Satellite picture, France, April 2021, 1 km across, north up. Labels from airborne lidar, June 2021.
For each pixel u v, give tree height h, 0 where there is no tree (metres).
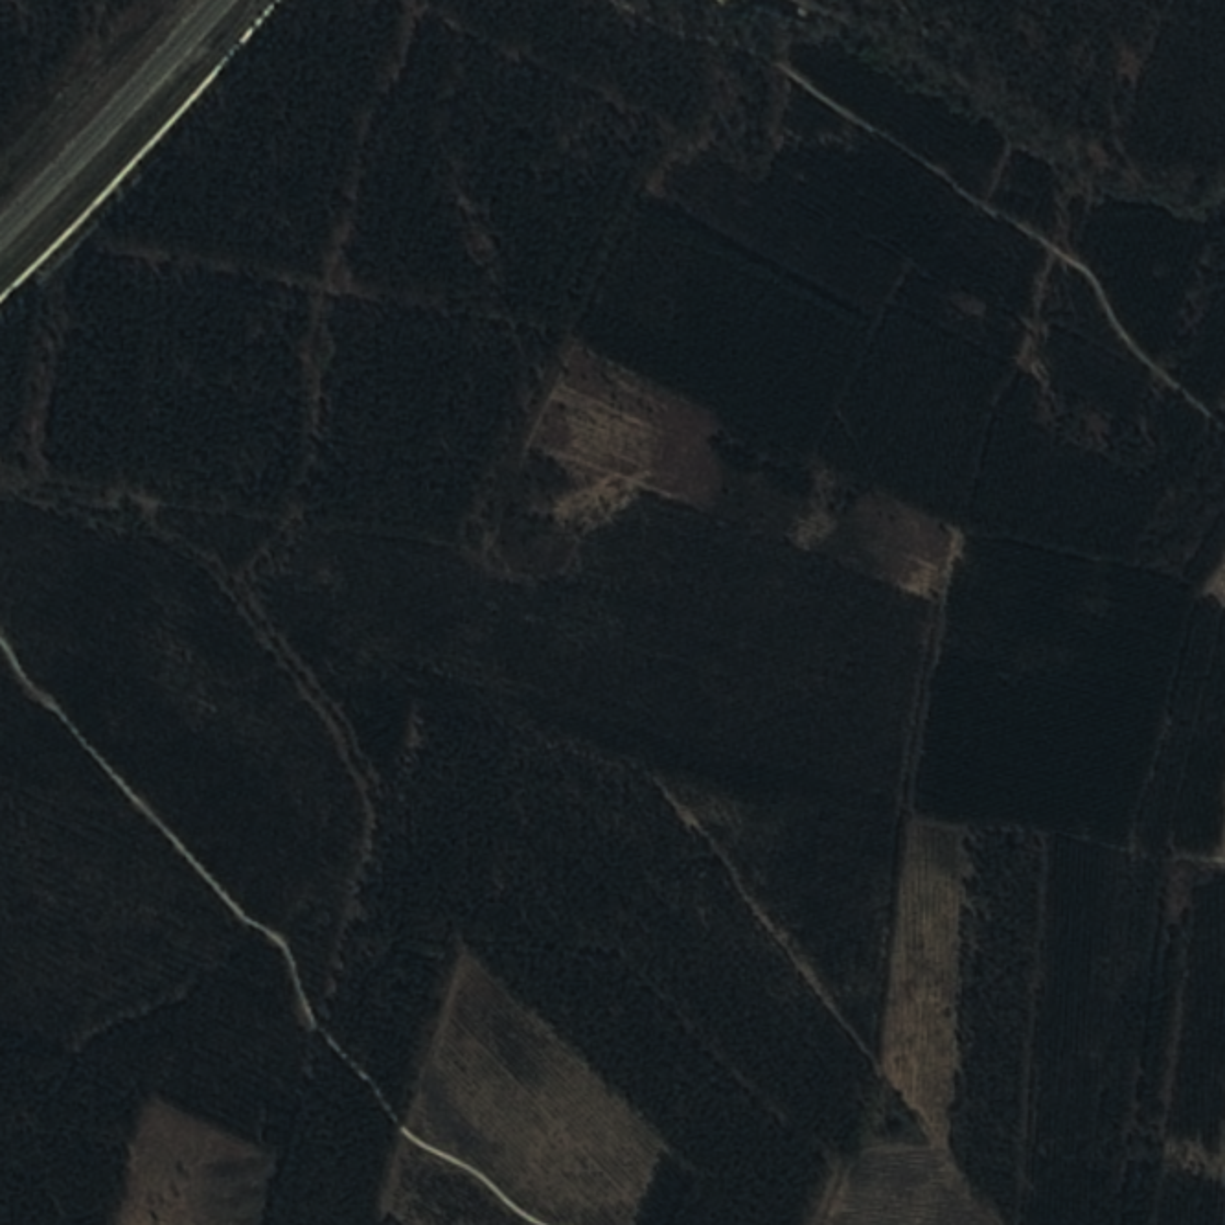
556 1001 19
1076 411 17
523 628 9
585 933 20
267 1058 8
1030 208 11
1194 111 13
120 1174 19
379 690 8
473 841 21
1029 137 19
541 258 22
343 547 10
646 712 8
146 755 10
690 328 14
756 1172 18
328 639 9
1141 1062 13
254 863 10
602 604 9
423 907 22
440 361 20
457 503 19
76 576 10
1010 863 19
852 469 12
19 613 8
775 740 9
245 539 9
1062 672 7
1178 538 8
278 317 20
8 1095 21
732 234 8
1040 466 10
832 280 8
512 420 19
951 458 12
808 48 9
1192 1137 8
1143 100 13
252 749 9
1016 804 10
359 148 21
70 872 6
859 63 12
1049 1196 9
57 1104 23
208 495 17
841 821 8
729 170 8
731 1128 19
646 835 20
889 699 9
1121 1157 16
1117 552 11
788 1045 21
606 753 10
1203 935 7
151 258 6
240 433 21
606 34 18
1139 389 8
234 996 10
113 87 0
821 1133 19
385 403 17
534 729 6
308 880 9
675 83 21
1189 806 8
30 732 10
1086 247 9
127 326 20
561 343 17
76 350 21
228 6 0
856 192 10
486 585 9
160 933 7
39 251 0
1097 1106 10
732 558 7
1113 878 9
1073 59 18
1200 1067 8
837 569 8
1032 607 10
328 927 9
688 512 8
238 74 18
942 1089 0
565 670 9
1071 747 9
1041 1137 8
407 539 8
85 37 20
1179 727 10
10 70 17
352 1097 20
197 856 9
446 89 21
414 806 17
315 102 20
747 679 9
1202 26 14
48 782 9
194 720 8
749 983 17
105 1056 12
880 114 10
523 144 21
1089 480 12
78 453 18
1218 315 13
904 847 7
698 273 14
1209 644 12
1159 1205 13
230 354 20
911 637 10
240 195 17
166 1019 11
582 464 0
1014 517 10
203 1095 9
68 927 9
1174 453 13
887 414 12
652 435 0
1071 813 10
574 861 17
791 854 8
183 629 8
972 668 8
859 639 9
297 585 8
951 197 10
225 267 6
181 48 0
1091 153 13
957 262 10
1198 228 11
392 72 21
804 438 12
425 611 8
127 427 15
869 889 7
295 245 19
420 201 22
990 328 9
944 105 12
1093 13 19
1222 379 11
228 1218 0
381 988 17
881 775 9
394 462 18
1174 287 10
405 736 10
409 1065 20
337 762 10
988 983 18
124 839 10
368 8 19
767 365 14
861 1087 19
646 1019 22
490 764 20
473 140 18
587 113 20
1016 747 10
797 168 10
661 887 19
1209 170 14
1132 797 10
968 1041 17
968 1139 16
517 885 16
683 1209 14
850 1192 0
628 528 10
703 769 9
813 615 10
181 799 10
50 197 0
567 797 19
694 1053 20
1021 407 15
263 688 10
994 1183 19
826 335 13
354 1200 18
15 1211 15
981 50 13
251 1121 10
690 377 15
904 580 0
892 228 10
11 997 9
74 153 0
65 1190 18
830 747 11
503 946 18
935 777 10
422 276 20
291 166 19
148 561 11
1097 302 8
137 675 9
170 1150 0
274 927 10
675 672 10
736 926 18
